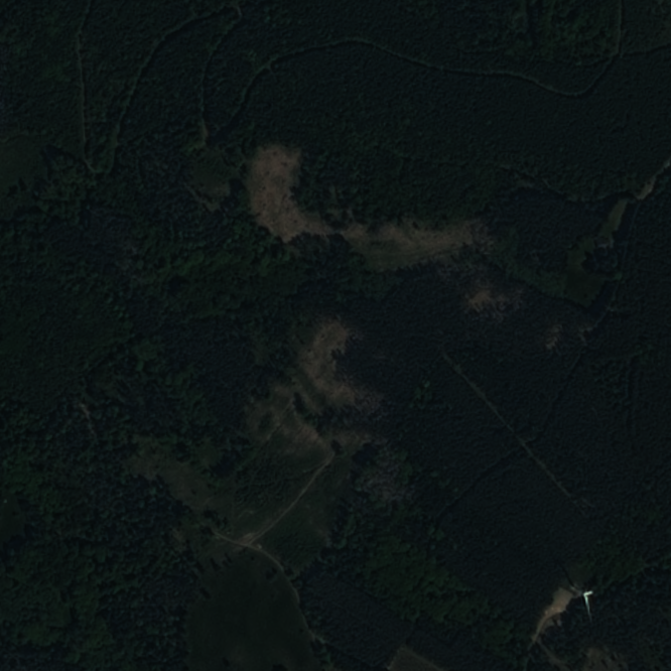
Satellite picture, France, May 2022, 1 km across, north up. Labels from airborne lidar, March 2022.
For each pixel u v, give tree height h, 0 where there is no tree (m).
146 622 26
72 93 9
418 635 23
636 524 27
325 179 23
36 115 10
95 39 8
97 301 11
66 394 8
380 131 13
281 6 13
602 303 24
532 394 19
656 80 11
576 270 0
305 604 20
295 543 6
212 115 20
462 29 16
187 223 26
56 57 11
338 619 26
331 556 19
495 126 12
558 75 14
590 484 20
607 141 13
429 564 27
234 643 0
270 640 0
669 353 20
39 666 28
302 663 0
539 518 23
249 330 21
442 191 15
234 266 12
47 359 10
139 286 21
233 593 0
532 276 21
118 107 8
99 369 7
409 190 18
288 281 12
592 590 16
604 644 28
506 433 26
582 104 13
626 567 15
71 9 9
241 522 0
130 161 10
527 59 13
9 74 18
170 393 8
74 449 21
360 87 12
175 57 16
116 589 22
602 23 16
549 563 21
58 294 13
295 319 19
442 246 0
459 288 29
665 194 17
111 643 25
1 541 0
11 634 23
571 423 19
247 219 23
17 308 12
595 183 12
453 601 23
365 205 18
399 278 22
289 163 0
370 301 28
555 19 18
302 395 0
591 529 21
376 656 23
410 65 13
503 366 18
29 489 19
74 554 25
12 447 18
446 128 14
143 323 22
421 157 16
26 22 11
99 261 30
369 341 28
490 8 14
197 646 0
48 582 12
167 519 27
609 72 10
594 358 20
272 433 0
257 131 14
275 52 13
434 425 22
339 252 25
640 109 12
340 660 20
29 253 13
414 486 25
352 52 10
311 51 11
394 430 27
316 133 12
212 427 16
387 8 10
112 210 30
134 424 32
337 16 11
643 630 26
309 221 0
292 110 9
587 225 26
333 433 31
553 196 22
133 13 8
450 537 21
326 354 0
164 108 19
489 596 24
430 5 14
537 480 23
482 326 29
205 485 0
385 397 29
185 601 28
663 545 21
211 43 14
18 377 6
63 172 30
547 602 20
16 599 21
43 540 21
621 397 9
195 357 25
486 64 10
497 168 14
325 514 0
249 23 16
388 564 23
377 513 26
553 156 14
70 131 7
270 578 15
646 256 18
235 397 21
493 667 23
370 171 13
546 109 11
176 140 22
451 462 22
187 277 8
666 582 22
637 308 21
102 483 19
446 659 26
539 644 0
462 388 21
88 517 10
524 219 27
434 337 28
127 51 12
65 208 23
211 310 24
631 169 12
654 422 21
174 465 0
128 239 26
